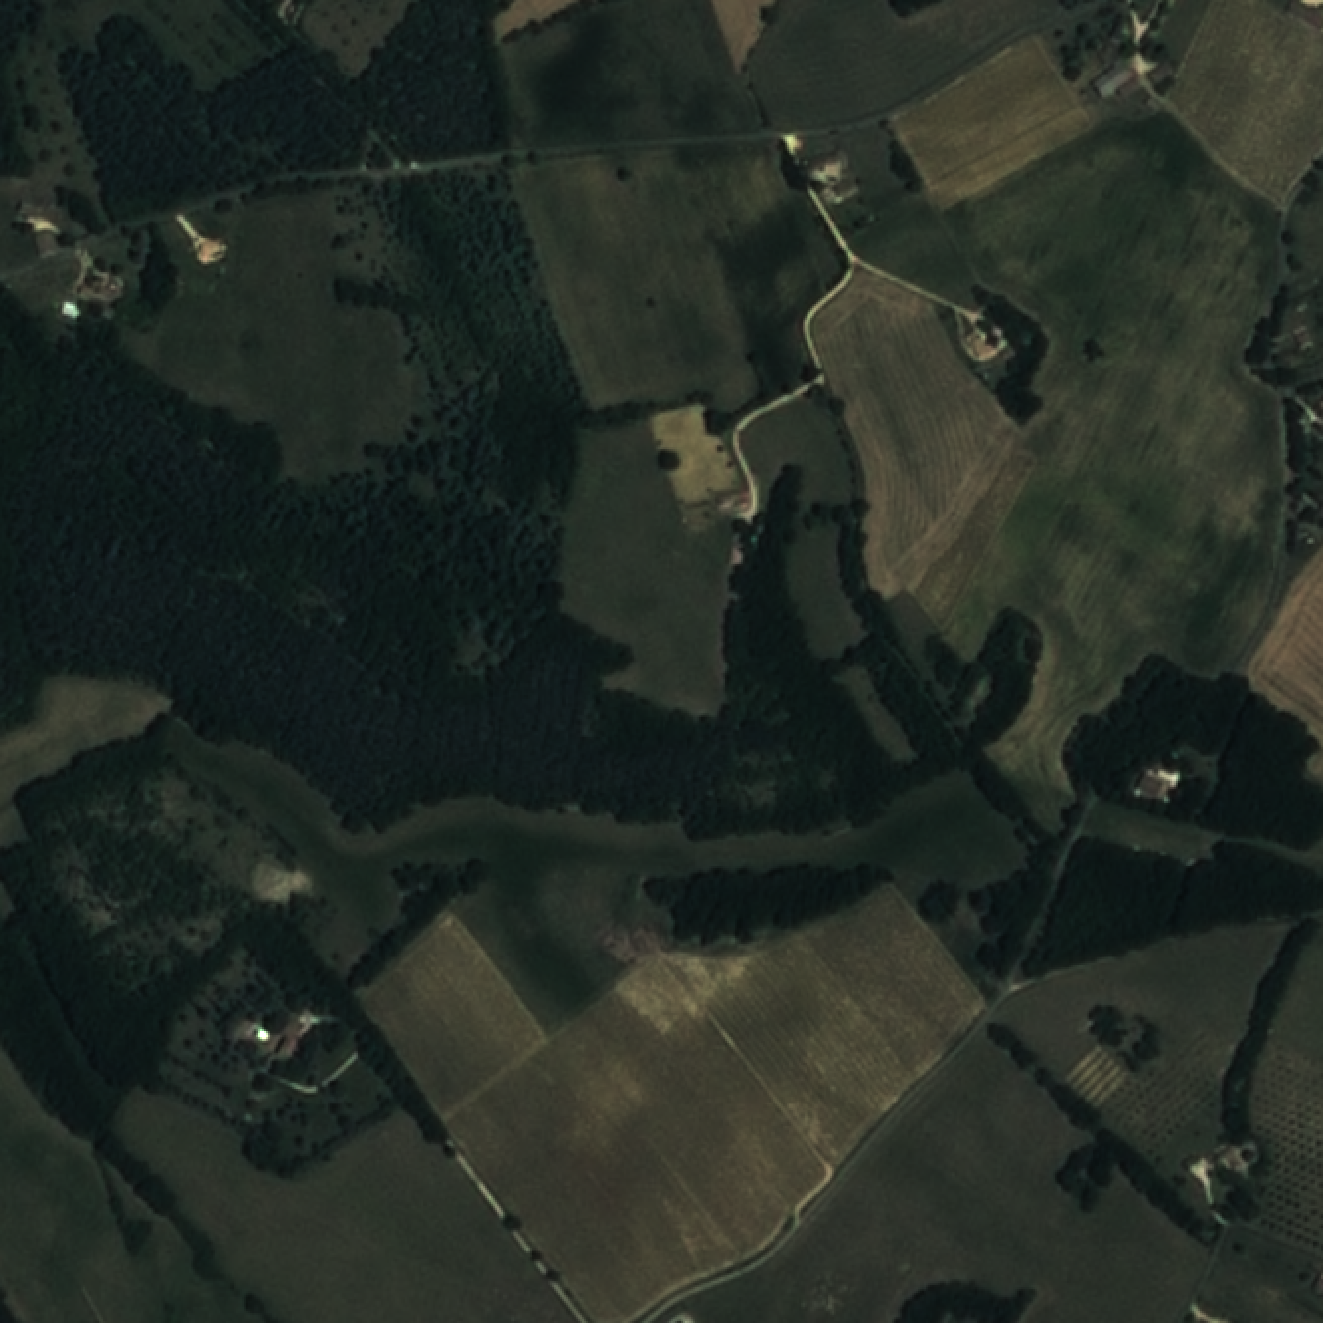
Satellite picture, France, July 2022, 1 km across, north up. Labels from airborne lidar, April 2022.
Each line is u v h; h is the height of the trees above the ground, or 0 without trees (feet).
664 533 0
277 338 0
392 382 0
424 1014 0
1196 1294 0
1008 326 39
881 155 0
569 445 42
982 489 0
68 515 42
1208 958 0
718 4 0
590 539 0
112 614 53
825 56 0
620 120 0
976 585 0
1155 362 0
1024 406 41
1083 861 46
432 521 22
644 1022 0
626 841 0
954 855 0
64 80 22
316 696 41
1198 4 0
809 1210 0
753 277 0
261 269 0
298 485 35
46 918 46
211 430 41
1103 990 0
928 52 0
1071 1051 0
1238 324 0
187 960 31
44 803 45
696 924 39
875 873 43
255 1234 0
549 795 37
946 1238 0
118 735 0
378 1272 0
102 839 21
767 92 0
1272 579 0
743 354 0
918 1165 0
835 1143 0
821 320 0
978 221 0
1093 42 25
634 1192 0
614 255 0
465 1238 0
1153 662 21
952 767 39
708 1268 0
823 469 0
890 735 0
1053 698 0
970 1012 0
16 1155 0
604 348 0
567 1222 0
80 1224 0
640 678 0
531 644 44
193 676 54
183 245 0
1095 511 0
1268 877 72
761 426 0
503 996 0
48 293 0
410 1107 43
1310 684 0
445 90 37
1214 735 56
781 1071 0
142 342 0
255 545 36
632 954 0
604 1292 0
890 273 0
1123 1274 0
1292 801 50
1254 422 0
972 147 0
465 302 30
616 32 0
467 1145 0
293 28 21
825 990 0
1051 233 0
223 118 47
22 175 25
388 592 49
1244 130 0
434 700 47
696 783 38
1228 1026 0
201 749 0
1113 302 0
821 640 0
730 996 0
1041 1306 0
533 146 0
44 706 0
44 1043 59
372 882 0
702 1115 0
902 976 0
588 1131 0
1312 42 0
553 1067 0
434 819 0
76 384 57
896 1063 0
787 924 34
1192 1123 0
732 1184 0
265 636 37
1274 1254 0
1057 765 0
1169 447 0
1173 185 0
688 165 0
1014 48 0
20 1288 0
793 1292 0
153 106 49
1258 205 0
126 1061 52
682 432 0
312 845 0
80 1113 59
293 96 52
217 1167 0
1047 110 0
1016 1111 0
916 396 0
